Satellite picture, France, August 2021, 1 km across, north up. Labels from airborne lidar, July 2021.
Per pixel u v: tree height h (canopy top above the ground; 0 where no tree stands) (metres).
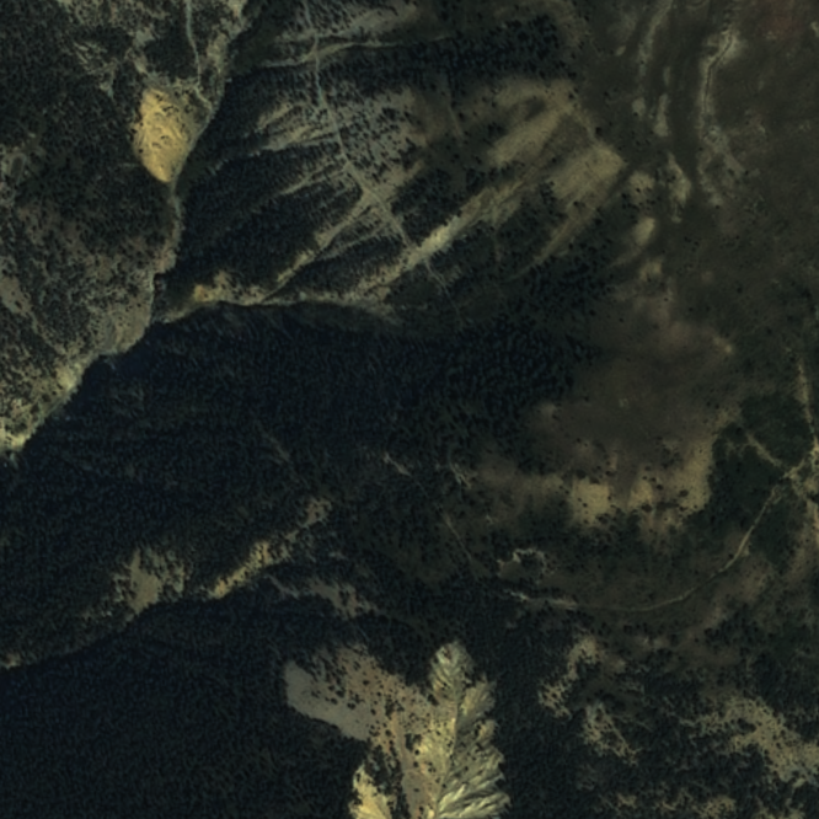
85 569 16
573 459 0
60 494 17
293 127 0
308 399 13
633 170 0
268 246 14
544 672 7
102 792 11
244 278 6
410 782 0
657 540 0
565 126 0
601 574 0
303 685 0
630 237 0
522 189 0
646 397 0
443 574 0
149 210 15
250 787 14
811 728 8
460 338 9
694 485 0
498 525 0
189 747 13
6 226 8
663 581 0
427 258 0
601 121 0
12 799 14
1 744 15
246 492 11
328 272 11
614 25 0
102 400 16
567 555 0
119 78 10
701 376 0
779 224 0
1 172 14
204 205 16
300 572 6
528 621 7
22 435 0
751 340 0
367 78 8
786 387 0
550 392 9
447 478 7
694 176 0
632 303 0
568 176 0
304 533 9
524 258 7
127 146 8
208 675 9
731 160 0
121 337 0
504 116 0
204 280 7
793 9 0
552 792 11
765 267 0
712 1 0
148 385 10
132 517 13
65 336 8
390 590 12
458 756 0
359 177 0
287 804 17
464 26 0
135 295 8
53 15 7
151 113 0
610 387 0
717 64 0
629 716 0
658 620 0
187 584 13
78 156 12
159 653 12
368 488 11
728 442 0
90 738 14
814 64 0
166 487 16
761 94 0
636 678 7
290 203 9
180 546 8
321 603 8
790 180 0
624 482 0
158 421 14
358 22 0
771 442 0
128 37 8
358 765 7
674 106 0
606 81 0
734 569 0
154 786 9
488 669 9
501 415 9
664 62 0
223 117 8
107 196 10
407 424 14
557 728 6
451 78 7
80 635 11
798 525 0
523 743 9
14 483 15
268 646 12
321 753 6
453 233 0
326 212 6
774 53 0
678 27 0
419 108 0
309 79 6
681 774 7
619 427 0
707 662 0
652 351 0
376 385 10
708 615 0
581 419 0
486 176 7
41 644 17
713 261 0
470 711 0
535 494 0
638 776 8
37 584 8
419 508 9
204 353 10
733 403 0
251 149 10
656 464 0
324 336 6
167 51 13
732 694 0
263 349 13
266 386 11
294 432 14
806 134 0
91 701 14
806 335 0
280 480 9
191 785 13
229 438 13
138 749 14
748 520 9
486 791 0
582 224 0
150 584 0
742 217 0
